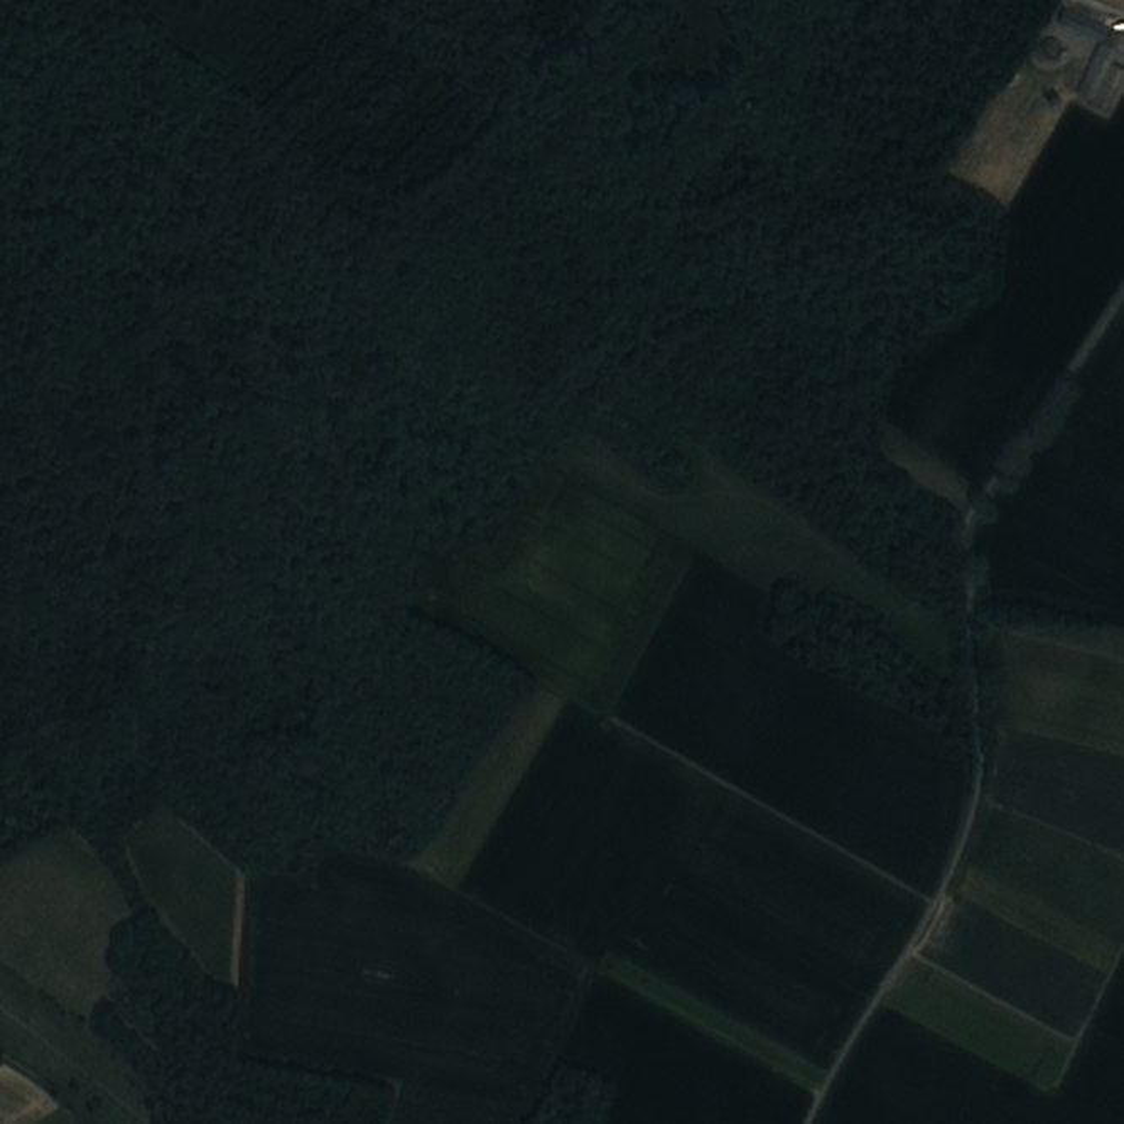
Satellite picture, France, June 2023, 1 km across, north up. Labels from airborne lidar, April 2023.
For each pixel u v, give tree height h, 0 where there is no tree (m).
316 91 12
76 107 17
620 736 0
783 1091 0
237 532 25
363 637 14
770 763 0
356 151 12
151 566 21
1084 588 0
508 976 0
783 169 23
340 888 0
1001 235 16
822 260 21
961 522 22
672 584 0
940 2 26
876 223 21
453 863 0
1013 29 17
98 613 22
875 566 16
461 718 17
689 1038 0
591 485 0
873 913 0
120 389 22
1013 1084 0
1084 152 0
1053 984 0
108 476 24
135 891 11
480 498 23
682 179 15
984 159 0
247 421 23
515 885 0
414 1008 0
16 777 14
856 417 23
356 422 22
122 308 19
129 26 17
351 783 20
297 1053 0
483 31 18
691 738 0
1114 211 0
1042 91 0
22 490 23
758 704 0
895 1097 0
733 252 27
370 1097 14
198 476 22
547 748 0
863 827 0
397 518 23
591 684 0
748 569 0
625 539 0
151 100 11
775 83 25
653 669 0
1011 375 0
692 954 0
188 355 19
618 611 0
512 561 0
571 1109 18
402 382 21
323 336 21
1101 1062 0
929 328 11
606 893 0
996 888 0
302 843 15
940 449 0
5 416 19
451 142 8
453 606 0
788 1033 0
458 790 13
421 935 0
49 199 9
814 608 21
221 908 0
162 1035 17
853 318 21
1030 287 0
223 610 19
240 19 6
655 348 22
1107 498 0
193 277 21
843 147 15
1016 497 0
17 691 19
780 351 25
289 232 17
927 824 0
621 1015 0
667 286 22
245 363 22
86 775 14
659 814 0
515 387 15
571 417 16
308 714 19
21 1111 0
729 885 0
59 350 24
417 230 17
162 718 19
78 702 16
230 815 19
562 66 22
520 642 0
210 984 18
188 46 6
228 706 15
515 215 15
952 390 0
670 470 16
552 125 22
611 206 13
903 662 20
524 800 0
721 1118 0
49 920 0
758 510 0
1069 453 0
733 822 0
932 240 19
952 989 0
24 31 20
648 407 7
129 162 22
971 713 7
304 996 0
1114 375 0
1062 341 0
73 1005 0
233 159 18
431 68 10
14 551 20
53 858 0
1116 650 0
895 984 0
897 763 0
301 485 21
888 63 21
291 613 22
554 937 0
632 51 28
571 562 0
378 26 12
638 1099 0
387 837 17
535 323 15
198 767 21
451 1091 0
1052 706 0
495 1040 0
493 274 17
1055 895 0
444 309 16
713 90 25
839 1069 0
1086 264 0
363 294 21
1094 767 0
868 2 30
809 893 0
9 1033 0
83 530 22
